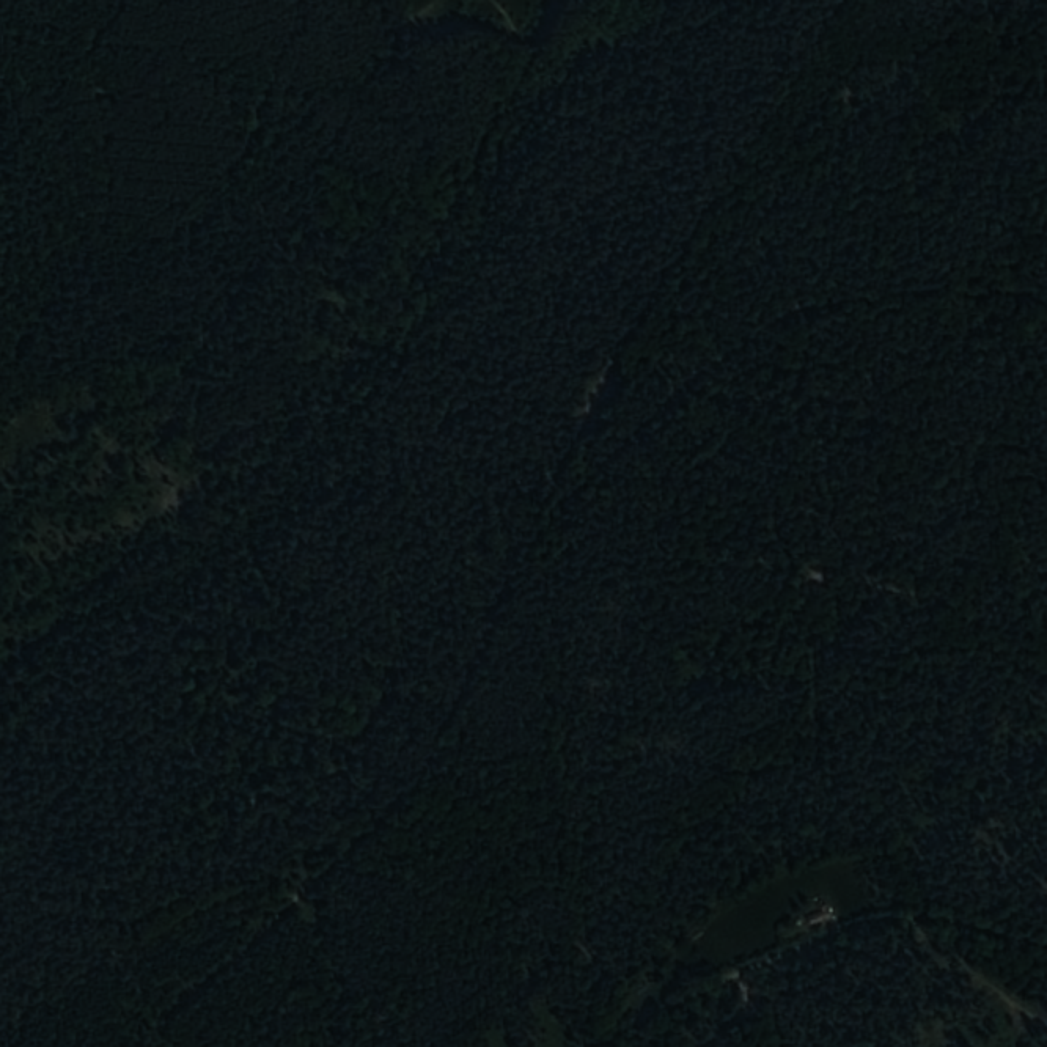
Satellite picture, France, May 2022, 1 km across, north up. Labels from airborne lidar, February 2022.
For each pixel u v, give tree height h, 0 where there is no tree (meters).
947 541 30
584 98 34
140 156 20
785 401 27
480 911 23
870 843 25
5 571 22
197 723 18
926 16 25
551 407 29
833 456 29
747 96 32
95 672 34
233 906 15
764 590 26
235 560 18
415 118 21
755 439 32
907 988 33
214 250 24
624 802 29
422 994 25
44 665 22
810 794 29
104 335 27
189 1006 21
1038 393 29
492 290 35
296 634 34
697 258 28
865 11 21
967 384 31
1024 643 28
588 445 29
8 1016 31
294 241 22
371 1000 25
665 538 25
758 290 31
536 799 27
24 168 21
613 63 35
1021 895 32
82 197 20
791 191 32
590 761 27
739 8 24
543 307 34
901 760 28
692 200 33
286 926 19
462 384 28
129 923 26
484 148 18
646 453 29
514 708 27
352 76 21
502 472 37
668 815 29
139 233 20
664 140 29
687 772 28
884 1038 32
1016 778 34
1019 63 25
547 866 25
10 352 15
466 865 24
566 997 25
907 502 29
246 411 24
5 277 20
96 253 19
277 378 34
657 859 26
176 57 18
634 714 27
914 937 30
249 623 29
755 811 30
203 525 33
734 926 0
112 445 0
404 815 22
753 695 31
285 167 19
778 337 27
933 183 27
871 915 10
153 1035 26
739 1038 26
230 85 13
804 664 22
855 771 32
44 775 35
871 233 31
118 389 18
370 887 26
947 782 32
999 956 32
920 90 22
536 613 28
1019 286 27
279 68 25
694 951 21
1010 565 28
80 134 19
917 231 28
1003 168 28
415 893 23
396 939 21
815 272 28
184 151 21
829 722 24
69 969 29
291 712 36
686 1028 23
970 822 35
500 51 26
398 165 28
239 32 23
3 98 18
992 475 33
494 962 24
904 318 29
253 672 15
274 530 14
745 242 30
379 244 31
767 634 25
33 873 33
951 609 24
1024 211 28
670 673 25
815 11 26
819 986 29
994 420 32
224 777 20
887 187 31
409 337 26
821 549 27
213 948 22
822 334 26
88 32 18
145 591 14
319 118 19
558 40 28
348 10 27
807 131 25
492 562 26
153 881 22
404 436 34
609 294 36
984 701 33
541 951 26
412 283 20
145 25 25
